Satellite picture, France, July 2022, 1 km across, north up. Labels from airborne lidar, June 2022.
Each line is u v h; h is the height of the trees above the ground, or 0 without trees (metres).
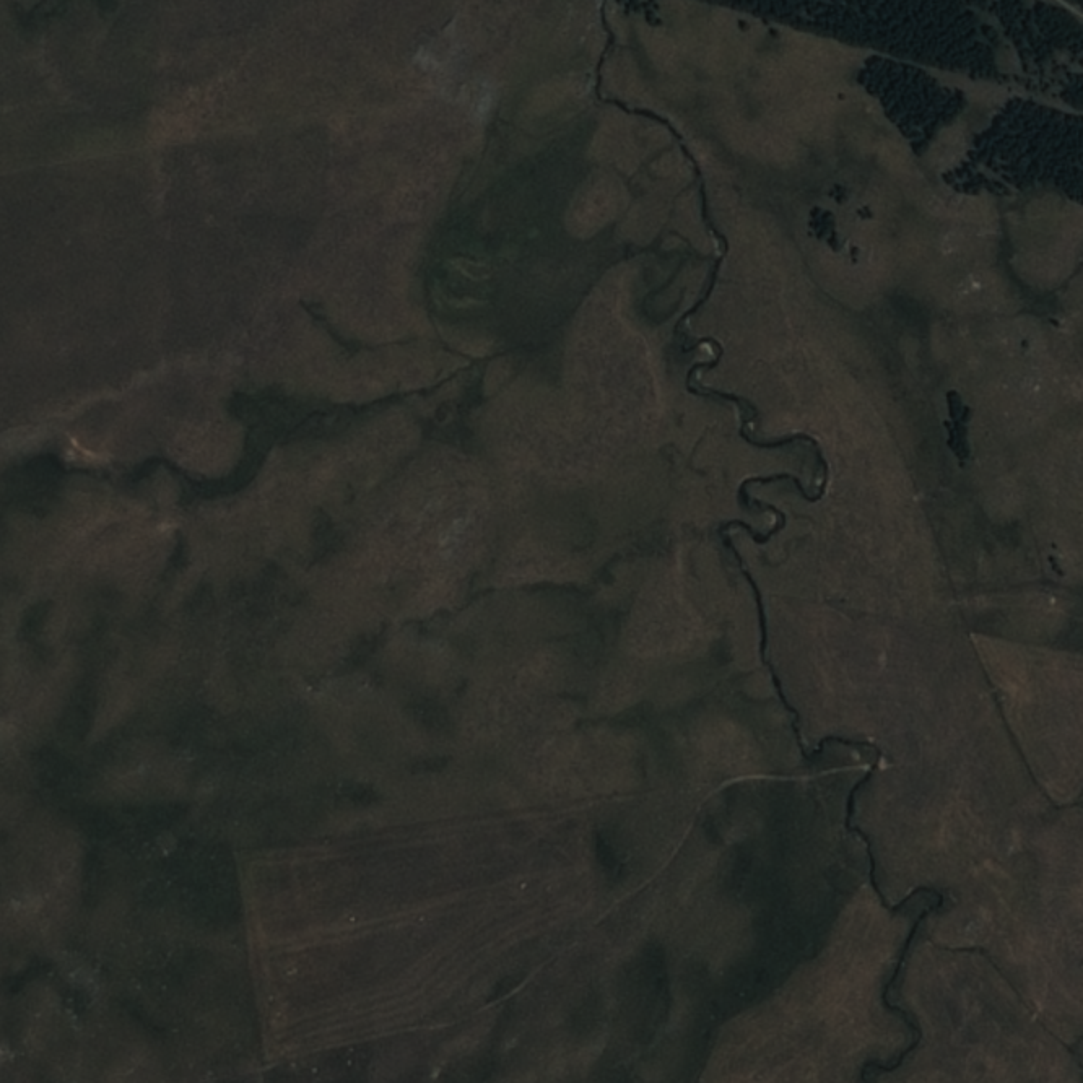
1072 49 10
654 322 0
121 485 0
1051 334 0
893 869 0
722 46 0
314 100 0
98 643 0
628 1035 0
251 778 0
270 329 0
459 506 0
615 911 0
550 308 0
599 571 0
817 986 0
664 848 0
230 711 0
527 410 0
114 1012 0
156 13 0
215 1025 0
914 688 0
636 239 0
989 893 0
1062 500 0
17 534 0
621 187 0
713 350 0
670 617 0
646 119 0
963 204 0
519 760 0
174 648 0
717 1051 0
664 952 0
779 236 0
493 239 0
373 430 0
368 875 0
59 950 0
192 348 0
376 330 0
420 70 0
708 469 0
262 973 0
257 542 0
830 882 0
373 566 0
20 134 0
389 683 0
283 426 0
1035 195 0
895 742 0
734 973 0
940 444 0
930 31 22
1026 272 0
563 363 0
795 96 0
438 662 0
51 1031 0
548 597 0
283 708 0
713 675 0
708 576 0
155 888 0
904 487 0
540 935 0
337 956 0
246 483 0
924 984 0
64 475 0
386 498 0
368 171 0
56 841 0
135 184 0
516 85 0
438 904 0
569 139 0
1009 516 0
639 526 0
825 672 0
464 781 0
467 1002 0
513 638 0
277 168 0
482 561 0
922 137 18
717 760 0
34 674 0
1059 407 0
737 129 0
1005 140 21
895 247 0
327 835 0
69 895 0
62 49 0
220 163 0
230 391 0
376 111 0
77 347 0
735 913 0
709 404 0
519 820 0
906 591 0
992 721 0
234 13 0
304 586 0
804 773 0
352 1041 0
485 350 0
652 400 0
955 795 0
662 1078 0
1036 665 0
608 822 0
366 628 0
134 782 0
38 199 0
